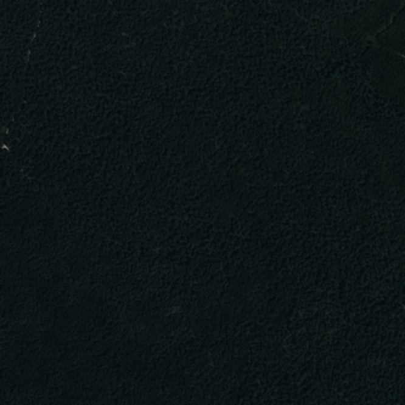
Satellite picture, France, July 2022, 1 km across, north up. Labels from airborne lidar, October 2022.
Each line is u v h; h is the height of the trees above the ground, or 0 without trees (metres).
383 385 20
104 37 11
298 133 15
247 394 21
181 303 27
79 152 8
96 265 27
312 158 14
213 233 21
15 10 22
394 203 20
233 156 24
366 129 28
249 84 17
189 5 10
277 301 25
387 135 22
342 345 22
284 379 10
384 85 11
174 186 10
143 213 9
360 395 19
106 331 17
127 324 20
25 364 22
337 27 10
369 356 24
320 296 20
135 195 19
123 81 21
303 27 15
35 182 22
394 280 7
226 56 16
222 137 9
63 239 18
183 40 20
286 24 17
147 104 24
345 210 19
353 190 22
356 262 22
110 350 17
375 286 32
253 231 20
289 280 18
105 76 16
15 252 23
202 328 18
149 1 12
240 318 26
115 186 15
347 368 24
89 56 14
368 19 11
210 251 22
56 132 19
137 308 21
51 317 16
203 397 6
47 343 22
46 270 20
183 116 14
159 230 15
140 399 13
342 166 14
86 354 11
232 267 24
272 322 7
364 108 8
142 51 13
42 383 22
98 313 20
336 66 8
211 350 12
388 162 22
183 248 13
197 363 14
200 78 18
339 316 27
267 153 16
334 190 23
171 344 23
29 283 14
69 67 22
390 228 9
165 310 20
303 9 26
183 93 18
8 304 19
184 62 15
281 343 22
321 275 22
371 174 21
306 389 8
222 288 21
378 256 20
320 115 13
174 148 17
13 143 10
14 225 21
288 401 8
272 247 19
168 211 18
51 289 19
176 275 26
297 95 19
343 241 17
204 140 15
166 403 14
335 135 16
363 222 14
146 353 14
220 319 15
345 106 18
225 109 22
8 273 17
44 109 19
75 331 11
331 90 15
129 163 22
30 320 16
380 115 25
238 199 11
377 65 12
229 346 15
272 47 12
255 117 21
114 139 23
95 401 19
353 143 14
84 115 23
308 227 23
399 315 28
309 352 7
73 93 19
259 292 18
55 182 16
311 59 19
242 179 17
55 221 27
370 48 22
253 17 14
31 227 22
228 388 18
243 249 22
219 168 21
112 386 18
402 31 9
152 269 25
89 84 21
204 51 18
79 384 17
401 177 22
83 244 18
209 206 14
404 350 21
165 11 10
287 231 12
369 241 21
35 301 20
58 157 12
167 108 15
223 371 15
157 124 16
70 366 17
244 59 21
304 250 8
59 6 18
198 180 17
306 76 23
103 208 26
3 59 17
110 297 16
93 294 23
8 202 16
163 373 16
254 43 22
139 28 18
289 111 15
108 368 15
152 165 13
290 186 21
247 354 14
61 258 23
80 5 17
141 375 17
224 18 19
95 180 17
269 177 20
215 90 21
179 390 14
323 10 9
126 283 22
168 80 22
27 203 16
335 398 22
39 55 7
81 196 21
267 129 7
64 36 19
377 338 16
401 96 12
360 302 19
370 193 23
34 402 16
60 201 13
